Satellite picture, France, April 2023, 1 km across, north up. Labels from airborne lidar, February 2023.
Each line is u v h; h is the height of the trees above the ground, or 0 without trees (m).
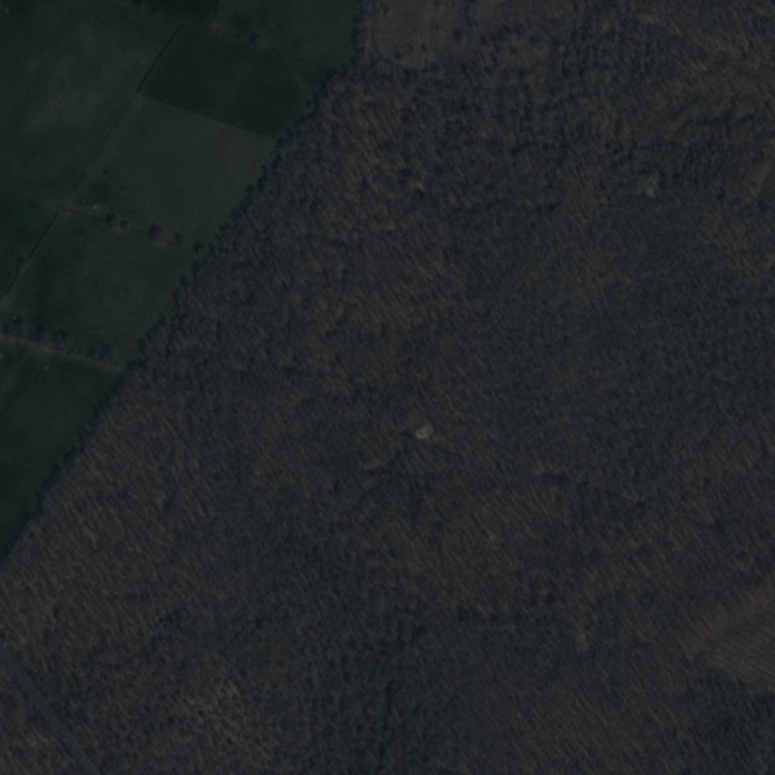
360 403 19
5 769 16
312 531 17
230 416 19
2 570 17
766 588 25
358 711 24
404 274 17
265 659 10
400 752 23
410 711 22
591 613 23
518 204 23
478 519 19
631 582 23
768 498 27
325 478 22
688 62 19
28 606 20
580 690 18
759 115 21
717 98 16
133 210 0
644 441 20
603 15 16
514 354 13
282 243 24
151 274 0
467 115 21
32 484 0
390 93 21
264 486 17
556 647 23
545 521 18
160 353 21
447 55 0
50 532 21
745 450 27
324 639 20
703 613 27
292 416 18
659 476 19
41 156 0
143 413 23
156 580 14
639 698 28
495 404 22
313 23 0
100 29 0
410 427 16
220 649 16
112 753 19
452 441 18
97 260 0
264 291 23
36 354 0
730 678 18
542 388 17
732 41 16
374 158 25
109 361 15
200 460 20
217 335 8
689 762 25
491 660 23
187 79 0
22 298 0
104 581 22
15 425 0
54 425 0
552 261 18
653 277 17
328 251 17
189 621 23
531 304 20
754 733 21
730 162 7
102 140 0
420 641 22
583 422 18
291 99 0
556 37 0
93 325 0
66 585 20
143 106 0
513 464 17
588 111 15
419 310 18
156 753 12
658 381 19
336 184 18
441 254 18
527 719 21
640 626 27
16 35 0
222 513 20
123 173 0
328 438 20
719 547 25
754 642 0
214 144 0
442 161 21
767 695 0
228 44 0
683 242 20
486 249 25
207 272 18
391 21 0
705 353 19
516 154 8
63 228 0
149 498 22
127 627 14
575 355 17
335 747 21
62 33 0
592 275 19
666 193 19
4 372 0
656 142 11
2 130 0
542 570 18
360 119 23
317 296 19
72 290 0
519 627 20
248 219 20
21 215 0
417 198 9
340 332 11
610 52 14
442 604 21
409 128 22
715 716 23
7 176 0
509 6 0
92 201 0
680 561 27
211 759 11
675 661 24
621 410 15
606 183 11
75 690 17
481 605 22
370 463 16
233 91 0
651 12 15
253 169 0
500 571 19
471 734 24
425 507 20
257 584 21
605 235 21
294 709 16
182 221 0
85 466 23
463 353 18
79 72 0
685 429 23
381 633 22
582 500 19
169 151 0
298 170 16
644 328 17
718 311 18
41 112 0
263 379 22
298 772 19
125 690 12
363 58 20
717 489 21
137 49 0
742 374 20
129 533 18
